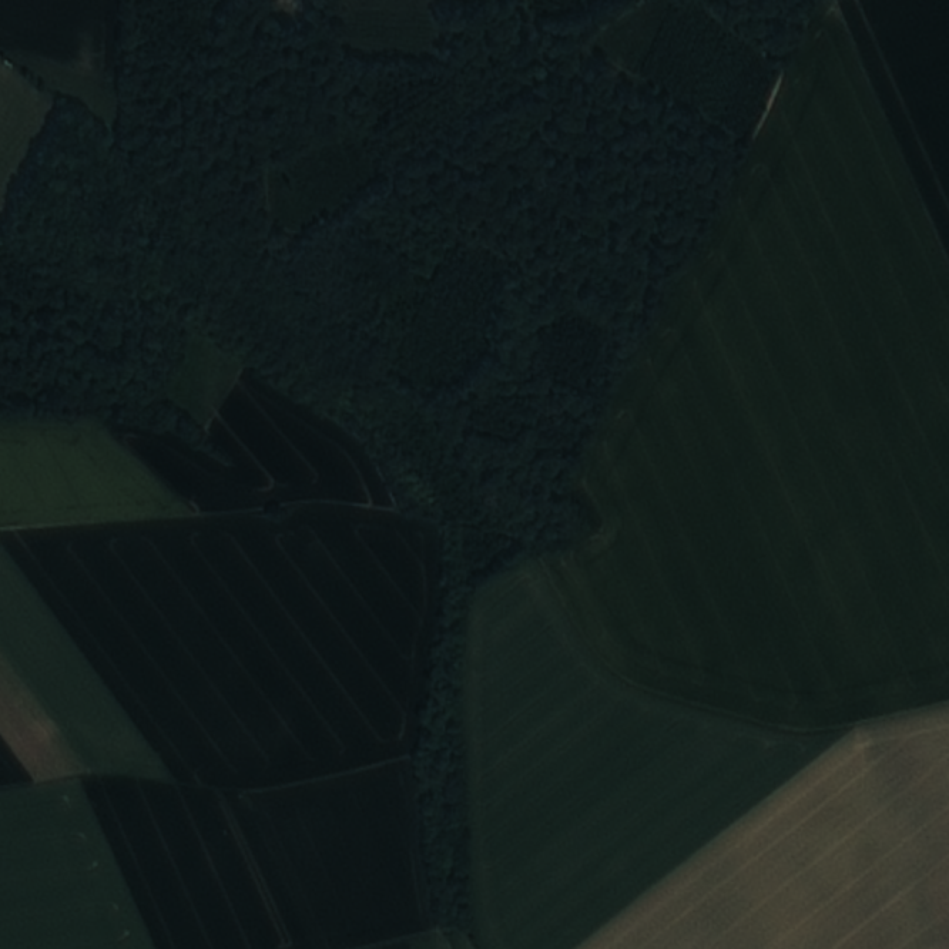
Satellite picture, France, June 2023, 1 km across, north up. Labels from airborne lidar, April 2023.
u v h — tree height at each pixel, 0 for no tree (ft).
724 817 0
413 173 93
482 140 100
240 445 0
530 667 0
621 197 79
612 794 0
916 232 0
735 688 0
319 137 72
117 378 93
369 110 69
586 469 0
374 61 61
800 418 0
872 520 0
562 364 47
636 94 96
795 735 0
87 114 72
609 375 65
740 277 0
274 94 76
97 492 0
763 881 0
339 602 0
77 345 107
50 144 81
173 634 0
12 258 72
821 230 0
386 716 0
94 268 98
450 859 54
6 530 0
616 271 80
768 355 0
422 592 0
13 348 74
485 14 75
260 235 75
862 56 0
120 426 0
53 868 0
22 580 0
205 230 78
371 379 69
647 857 0
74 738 0
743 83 21
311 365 71
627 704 0
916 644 0
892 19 0
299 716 0
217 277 76
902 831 0
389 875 0
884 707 0
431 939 0
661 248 78
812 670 0
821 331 0
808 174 0
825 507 0
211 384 0
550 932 0
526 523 78
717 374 0
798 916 0
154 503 0
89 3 0
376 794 0
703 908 0
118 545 0
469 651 0
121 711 0
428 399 68
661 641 0
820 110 0
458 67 49
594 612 0
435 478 45
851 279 0
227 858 0
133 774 0
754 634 0
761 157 0
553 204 101
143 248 80
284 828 0
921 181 0
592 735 0
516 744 0
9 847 0
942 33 0
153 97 80
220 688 0
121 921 0
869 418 0
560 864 0
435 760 65
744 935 0
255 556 0
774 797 0
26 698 0
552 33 31
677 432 0
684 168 83
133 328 108
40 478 0
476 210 93
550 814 0
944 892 0
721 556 0
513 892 0
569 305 45
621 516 0
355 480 0
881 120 0
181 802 0
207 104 73
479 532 20
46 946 0
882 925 0
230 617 0
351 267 64
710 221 33
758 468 0
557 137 89
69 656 0
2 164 0
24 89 0
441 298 19
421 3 0
